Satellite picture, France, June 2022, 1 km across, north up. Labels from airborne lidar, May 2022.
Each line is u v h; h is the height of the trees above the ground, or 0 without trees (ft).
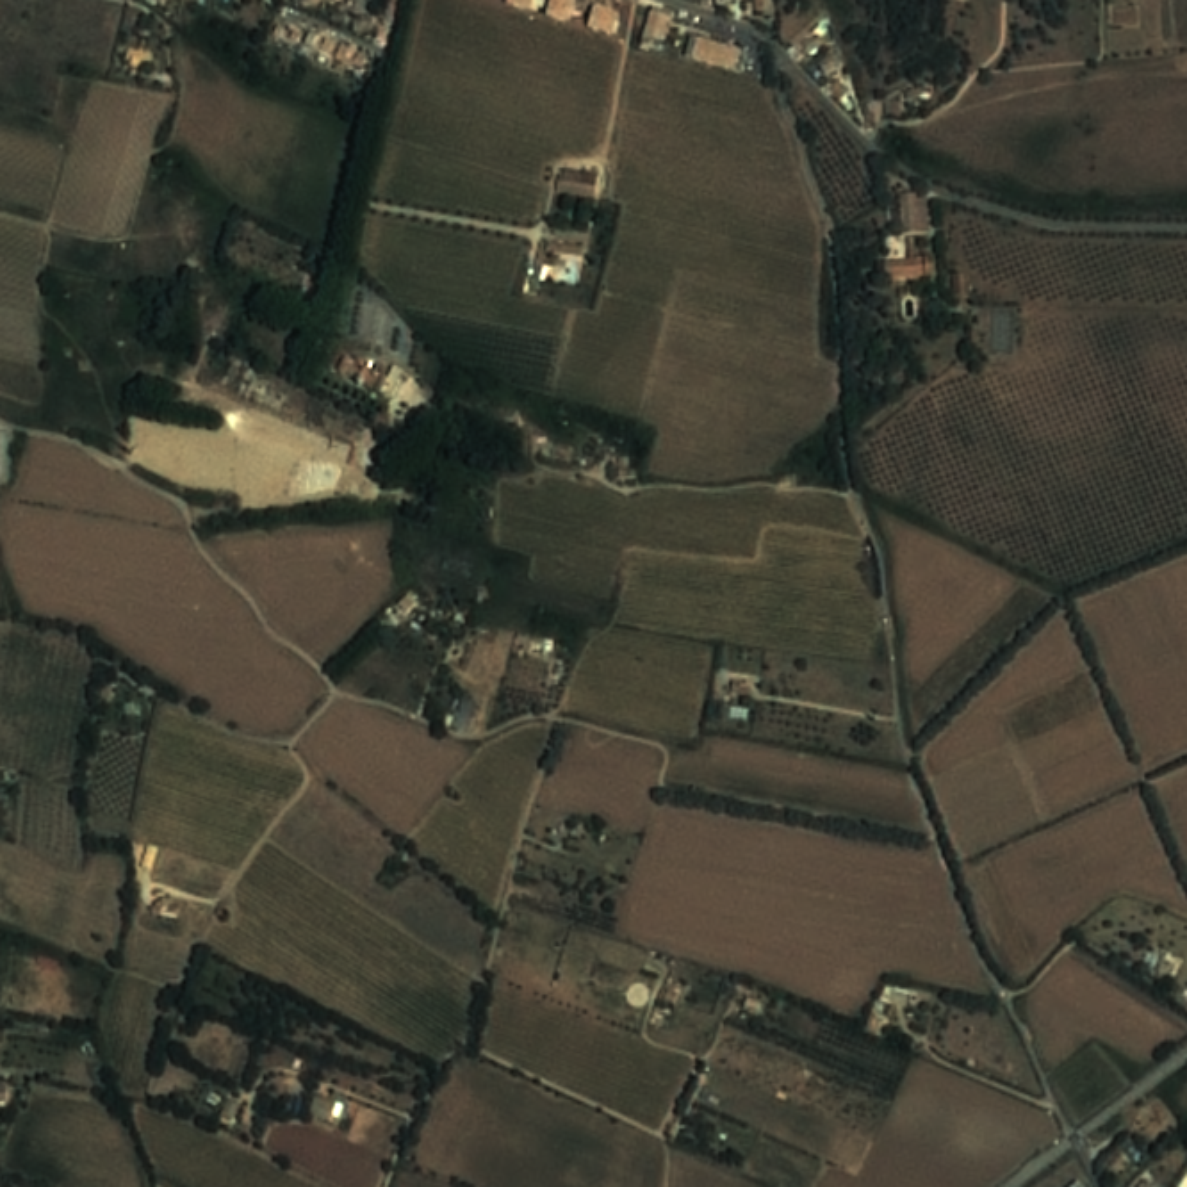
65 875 0
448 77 0
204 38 0
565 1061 0
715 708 32
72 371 0
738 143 0
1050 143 0
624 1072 0
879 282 68
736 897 0
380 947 0
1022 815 0
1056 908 0
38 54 0
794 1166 0
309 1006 41
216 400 0
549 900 0
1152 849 0
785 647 0
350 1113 0
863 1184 0
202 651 0
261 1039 31
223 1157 0
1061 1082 0
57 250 0
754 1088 0
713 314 0
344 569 0
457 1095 0
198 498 0
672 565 0
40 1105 0
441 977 0
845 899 0
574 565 0
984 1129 0
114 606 0
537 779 0
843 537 0
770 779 0
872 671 0
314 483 0
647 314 0
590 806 0
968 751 0
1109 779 0
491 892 0
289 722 0
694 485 0
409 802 0
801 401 0
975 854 0
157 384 70
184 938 0
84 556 0
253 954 0
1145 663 0
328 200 0
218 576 0
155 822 0
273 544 0
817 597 0
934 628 0
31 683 0
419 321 0
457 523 0
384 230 0
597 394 0
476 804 0
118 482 0
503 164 0
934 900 0
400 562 25
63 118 0
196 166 0
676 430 0
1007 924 0
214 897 0
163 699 40
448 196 0
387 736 0
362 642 41
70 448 0
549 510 0
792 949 0
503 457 21
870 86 0
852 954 0
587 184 0
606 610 0
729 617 0
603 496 0
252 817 0
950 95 20
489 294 0
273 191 0
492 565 0
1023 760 0
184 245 0
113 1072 32
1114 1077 0
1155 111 0
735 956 0
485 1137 0
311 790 0
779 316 0
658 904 0
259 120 0
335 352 84
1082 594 38
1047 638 0
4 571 0
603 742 0
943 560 0
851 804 0
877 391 49
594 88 0
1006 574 0
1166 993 30
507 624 0
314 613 0
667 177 0
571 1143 0
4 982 0
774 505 0
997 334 0
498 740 0
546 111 0
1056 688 0
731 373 0
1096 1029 0
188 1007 45
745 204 0
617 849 0
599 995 0
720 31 0
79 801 38
